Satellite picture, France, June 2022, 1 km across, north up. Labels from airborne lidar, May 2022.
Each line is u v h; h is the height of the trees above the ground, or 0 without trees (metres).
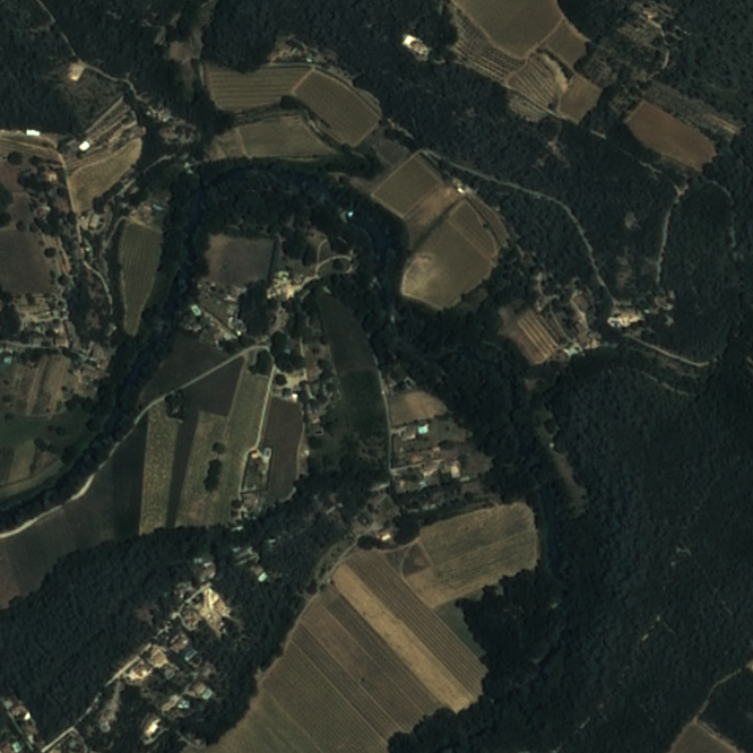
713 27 19
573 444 21
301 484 12
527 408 16
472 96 19
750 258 13
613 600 13
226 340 7
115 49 9
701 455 9
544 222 18
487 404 20
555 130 6
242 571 22
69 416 0
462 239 0
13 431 0
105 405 18
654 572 8
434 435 0
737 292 10
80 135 6
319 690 0
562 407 21
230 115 15
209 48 13
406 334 26
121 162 0
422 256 0
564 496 15
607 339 9
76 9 19
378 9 8
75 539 0
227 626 8
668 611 14
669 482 10
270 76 0
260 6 18
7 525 12
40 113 7
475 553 0
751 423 16
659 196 7
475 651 0
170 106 12
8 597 0
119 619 17
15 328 17
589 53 10
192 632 6
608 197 14
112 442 14
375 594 0
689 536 11
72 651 15
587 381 7
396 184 0
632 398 17
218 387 0
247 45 9
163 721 5
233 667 12
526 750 8
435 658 0
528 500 9
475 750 18
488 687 18
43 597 10
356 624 0
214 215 18
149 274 0
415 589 0
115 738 8
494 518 0
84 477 11
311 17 18
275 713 0
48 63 8
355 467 12
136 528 0
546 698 16
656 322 11
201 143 12
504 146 18
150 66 13
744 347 16
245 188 26
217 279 0
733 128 0
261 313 8
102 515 0
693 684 8
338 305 0
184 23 17
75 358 13
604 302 14
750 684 6
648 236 11
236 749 0
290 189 18
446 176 9
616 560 27
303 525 17
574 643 15
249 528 17
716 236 11
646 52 7
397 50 8
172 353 9
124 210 11
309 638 0
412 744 22
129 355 21
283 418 0
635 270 6
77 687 14
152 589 18
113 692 7
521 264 8
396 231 18
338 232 13
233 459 0
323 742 0
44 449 9
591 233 8
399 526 12
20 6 7
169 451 0
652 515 8
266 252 0
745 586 7
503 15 0
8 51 10
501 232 0
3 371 0
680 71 9
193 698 6
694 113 0
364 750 0
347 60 9
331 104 0
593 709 9
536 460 21
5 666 19
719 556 15
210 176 21
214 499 0
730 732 8
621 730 13
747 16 18
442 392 19
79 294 11
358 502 11
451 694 0
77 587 11
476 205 0
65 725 15
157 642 18
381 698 0
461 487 10
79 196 0
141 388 15
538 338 0
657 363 9
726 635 12
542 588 17
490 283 9
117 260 6
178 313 19
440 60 10
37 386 0
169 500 0
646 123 0
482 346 12
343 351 0
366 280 22
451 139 10
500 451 22
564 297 11
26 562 0
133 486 0
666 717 11
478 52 0
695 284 6
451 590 0
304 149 0
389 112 12
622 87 9
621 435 7
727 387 18
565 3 13
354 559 0
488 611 19
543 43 0
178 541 14
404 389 14
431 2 10
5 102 14
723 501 15
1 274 0
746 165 9
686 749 0
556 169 13
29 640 17
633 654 14
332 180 8
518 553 0
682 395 13
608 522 7
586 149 9
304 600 10
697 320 7
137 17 13
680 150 0
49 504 21
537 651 23
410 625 0
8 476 0
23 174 10
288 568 17
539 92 0
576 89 0
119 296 8
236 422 0
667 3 20
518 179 6
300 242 16
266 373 10
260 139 0
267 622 19
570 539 20
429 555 0
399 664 0
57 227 9
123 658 17
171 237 21
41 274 0
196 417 0
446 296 0
